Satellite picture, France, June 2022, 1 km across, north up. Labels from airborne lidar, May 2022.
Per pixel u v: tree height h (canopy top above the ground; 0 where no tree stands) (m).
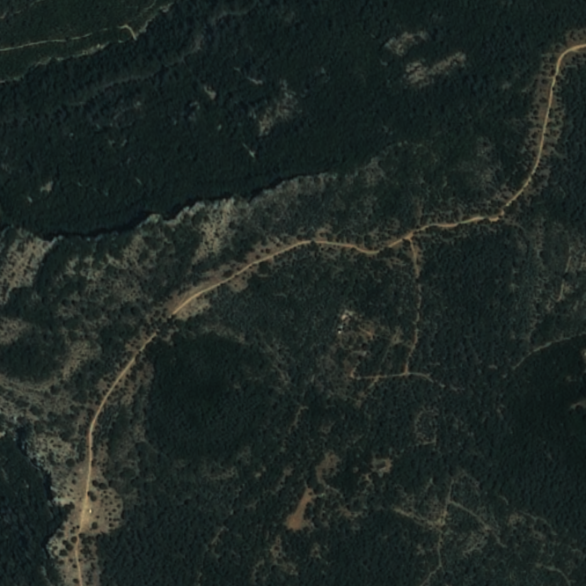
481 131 9
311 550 8
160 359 11
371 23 10
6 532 7
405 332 9
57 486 0
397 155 10
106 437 11
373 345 13
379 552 7
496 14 10
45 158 9
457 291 15
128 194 10
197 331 9
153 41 22
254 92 10
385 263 8
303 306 6
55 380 0
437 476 7
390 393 16
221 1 14
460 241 10
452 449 9
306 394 8
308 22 6
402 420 16
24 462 7
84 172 9
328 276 6
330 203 8
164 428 20
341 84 10
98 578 0
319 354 13
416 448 11
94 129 9
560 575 7
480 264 13
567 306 6
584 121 17
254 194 7
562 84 10
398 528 13
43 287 7
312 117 8
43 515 8
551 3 6
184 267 12
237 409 18
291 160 7
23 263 0
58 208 8
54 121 13
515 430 11
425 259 6
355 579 14
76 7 12
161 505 13
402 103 8
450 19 8
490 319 10
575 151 16
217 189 11
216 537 14
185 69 8
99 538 14
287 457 10
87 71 13
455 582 9
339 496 8
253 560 9
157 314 6
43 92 12
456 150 8
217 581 17
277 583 6
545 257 13
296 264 7
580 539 6
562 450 16
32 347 7
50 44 7
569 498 15
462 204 7
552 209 6
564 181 11
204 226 0
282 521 6
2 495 7
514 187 9
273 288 6
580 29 6
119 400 6
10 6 18
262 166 9
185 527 17
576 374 10
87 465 0
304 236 7
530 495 15
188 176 11
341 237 6
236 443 12
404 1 13
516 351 7
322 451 7
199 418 17
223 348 8
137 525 18
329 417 12
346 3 10
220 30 7
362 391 12
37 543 8
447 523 7
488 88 18
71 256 6
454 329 9
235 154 10
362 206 7
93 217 9
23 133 7
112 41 8
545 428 16
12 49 7
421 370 11
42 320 6
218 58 9
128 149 9
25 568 17
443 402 11
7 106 11
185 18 9
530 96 9
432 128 11
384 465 0
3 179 10
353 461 9
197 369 19
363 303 8
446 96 8
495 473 12
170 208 8
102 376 7
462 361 13
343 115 9
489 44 17
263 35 10
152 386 6
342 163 11
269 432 7
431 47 7
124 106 7
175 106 8
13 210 15
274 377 6
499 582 8
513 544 12
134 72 18
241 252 10
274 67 9
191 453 12
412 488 6
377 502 14
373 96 8
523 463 14
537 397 18
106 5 7
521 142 8
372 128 6
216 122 10
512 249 12
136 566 19
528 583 7
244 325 6
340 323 11
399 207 8
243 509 7
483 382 9
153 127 7
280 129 5
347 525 9
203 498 14
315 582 11
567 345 11
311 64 7
